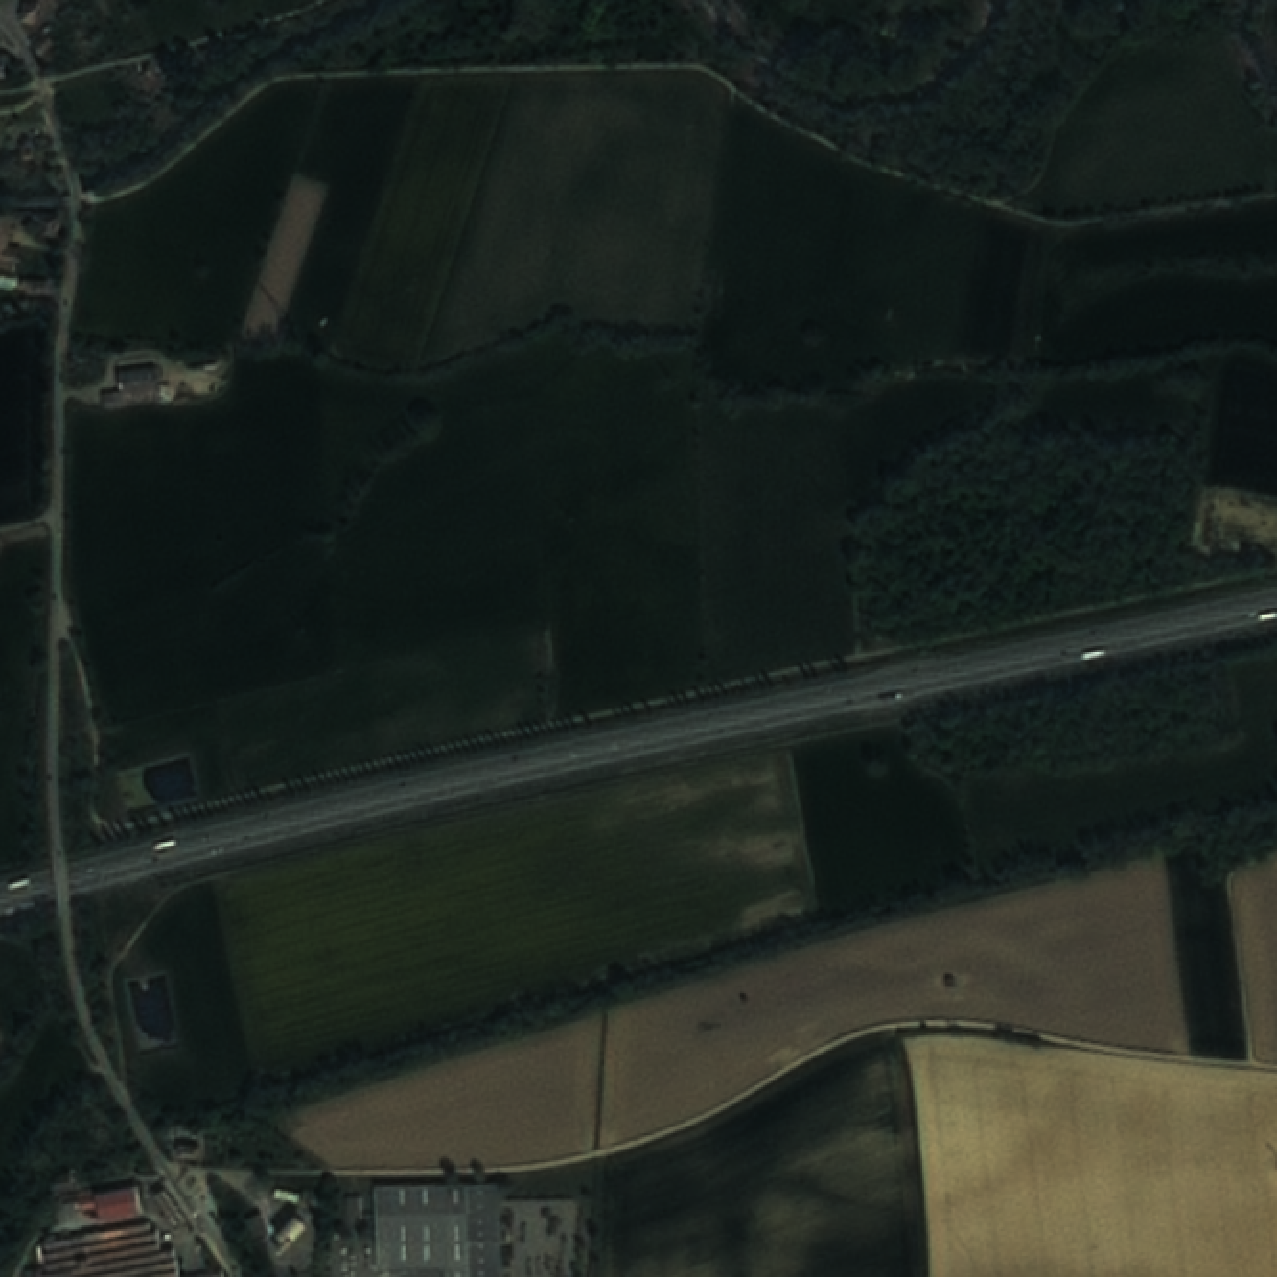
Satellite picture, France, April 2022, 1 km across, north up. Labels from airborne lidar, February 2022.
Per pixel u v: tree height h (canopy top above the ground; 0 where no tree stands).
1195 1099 0
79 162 13
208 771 0
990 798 0
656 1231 0
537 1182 0
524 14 19
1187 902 0
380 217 0
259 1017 0
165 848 0
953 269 0
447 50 9
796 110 13
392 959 0
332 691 0
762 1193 0
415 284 0
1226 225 0
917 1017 0
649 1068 0
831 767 0
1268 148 0
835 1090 0
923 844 0
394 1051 15
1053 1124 0
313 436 0
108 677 0
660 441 0
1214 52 0
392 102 0
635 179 0
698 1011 0
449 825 0
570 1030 0
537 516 0
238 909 0
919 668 0
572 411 0
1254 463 0
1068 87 18
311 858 0
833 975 0
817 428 0
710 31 9
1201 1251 0
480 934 0
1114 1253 0
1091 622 0
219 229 0
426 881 0
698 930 0
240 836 0
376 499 0
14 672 0
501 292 0
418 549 0
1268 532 0
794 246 0
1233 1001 0
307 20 11
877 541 10
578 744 0
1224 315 0
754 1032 0
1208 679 22
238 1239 11
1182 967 0
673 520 0
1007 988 0
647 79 0
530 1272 0
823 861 0
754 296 0
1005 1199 0
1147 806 0
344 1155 0
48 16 0
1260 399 0
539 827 0
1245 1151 0
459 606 0
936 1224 0
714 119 0
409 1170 0
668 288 0
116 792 0
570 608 0
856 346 0
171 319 0
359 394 0
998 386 6
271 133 0
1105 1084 0
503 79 0
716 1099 0
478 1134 0
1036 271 0
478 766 0
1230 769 0
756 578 0
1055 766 18
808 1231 0
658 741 0
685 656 0
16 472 0
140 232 0
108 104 0
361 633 0
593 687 0
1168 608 0
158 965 0
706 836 0
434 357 0
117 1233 0
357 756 0
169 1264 0
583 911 0
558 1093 0
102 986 9
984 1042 0
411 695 0
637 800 0
